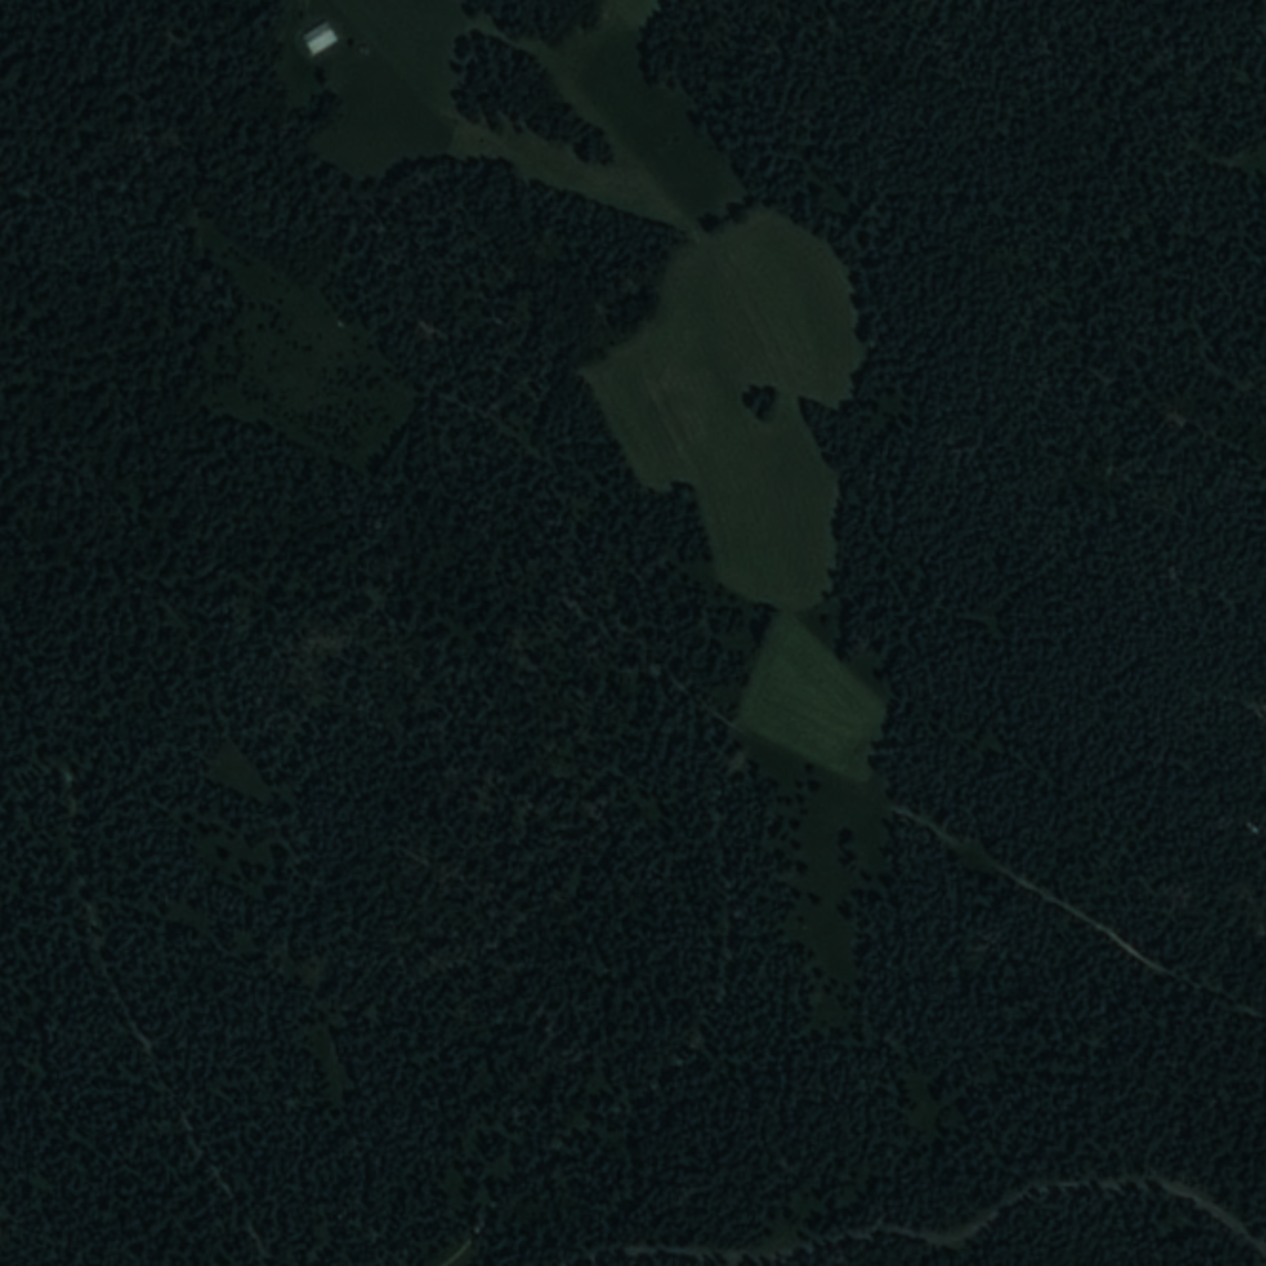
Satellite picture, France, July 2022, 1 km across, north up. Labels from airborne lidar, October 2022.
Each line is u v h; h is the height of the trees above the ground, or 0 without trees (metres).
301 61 0
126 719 7
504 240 30
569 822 19
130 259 23
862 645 23
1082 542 27
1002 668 23
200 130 22
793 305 0
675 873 22
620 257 19
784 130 24
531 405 22
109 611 16
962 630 23
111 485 12
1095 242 27
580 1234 27
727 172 0
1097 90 16
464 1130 26
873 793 0
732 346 0
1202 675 24
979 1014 24
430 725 23
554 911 10
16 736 14
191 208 22
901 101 21
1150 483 21
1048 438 23
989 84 23
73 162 13
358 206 22
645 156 0
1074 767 7
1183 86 16
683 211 0
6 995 20
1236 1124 15
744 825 23
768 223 0
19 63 23
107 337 20
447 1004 15
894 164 15
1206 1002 13
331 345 0
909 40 22
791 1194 23
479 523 26
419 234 21
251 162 20
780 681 0
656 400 0
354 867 18
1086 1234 23
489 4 21
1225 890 21
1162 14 20
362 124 0
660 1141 29
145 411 23
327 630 9
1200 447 10
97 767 26
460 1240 15
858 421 17
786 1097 20
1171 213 19
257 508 19
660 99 0
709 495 0
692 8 11
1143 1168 24
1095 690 11
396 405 0
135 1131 27
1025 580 20
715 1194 18
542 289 27
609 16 0
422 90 0
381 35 0
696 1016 26
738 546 0
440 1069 16
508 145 0
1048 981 24
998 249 22
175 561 22
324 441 10
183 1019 11
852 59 24
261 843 18
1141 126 25
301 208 20
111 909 11
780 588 0
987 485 9
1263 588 15
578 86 0
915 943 20
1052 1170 24
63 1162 26
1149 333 21
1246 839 19
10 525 27
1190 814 22
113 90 27
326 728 23
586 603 25
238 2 16
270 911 18
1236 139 25
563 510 25
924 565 16
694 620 24
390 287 18
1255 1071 24
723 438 0
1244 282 25
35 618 25
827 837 0
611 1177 10
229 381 8
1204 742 24
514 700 14
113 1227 8
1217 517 21
